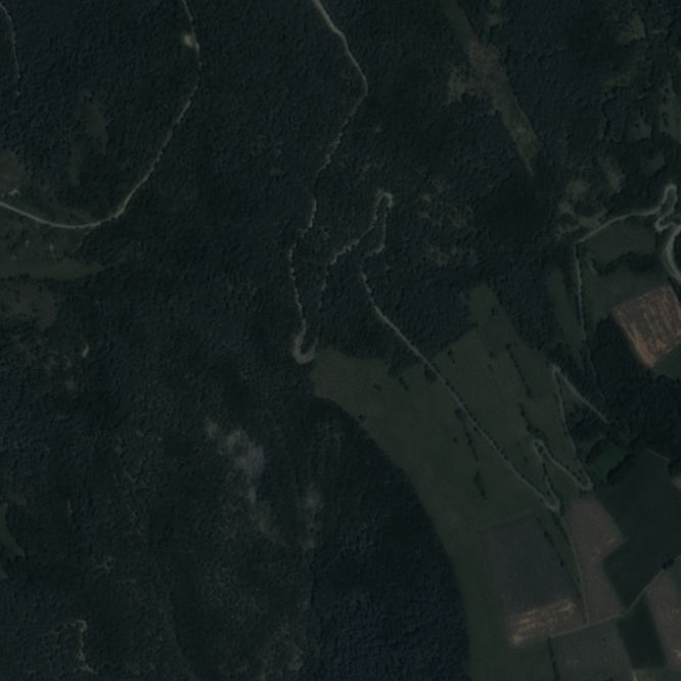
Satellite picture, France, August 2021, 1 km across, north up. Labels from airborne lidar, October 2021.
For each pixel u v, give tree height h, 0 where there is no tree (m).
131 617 8
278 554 10
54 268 0
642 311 0
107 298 16
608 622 0
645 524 0
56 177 11
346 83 9
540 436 7
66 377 10
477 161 8
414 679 18
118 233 13
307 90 17
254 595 11
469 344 0
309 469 7
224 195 18
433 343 15
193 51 8
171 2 9
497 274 16
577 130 15
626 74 15
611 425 11
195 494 11
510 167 14
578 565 0
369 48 16
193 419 7
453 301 15
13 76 14
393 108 15
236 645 6
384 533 11
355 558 15
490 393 0
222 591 9
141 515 10
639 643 0
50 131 14
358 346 12
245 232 14
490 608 0
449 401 0
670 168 14
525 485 0
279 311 13
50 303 0
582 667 0
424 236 17
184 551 8
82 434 15
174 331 10
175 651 15
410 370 0
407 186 12
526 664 0
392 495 13
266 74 11
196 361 15
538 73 15
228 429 8
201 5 15
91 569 15
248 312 14
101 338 7
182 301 19
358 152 15
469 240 15
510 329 0
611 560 0
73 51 13
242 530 10
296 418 9
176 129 13
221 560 12
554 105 16
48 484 11
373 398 0
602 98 16
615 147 12
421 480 0
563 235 9
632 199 13
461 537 0
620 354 13
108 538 13
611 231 0
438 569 14
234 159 16
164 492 12
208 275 16
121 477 15
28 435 16
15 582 16
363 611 14
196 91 6
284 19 13
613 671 0
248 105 10
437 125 14
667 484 0
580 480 10
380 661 13
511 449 0
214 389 12
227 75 12
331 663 10
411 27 16
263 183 14
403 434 0
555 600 0
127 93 7
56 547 13
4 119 7
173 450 11
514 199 16
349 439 6
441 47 16
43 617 15
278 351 17
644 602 0
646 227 9
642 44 17
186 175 9
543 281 10
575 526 0
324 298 11
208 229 14
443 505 0
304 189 13
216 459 8
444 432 0
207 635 9
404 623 13
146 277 15
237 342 11
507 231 13
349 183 13
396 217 13
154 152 8
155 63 15
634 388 17
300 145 15
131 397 14
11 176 0
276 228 12
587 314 9
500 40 16
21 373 13
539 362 0
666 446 18
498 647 0
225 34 12
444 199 8
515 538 0
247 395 13
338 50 12
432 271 10
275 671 8
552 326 14
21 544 17
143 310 20
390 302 11
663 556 0
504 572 0
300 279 12
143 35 13
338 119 13
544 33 14
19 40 15
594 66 16
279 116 9
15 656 15
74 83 16
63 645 15
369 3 17
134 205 11
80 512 19
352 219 13
